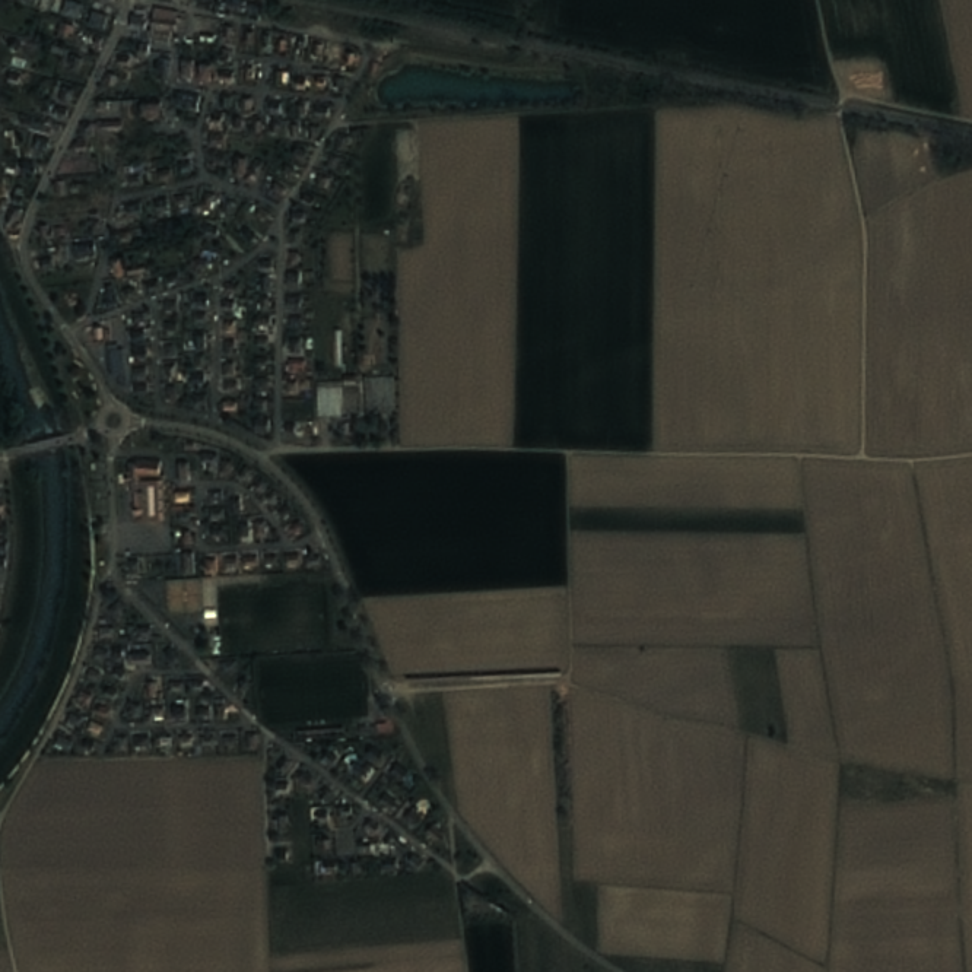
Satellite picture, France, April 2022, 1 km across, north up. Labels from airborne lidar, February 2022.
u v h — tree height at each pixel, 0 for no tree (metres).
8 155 5
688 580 0
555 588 0
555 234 0
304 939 0
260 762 0
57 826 0
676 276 0
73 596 0
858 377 0
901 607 0
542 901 0
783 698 0
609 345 0
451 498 0
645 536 0
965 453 0
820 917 0
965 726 0
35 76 0
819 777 0
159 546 0
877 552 0
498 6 0
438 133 0
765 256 0
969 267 0
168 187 0
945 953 0
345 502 0
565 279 0
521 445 0
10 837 0
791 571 0
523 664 0
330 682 0
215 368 0
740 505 0
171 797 0
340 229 0
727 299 0
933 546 0
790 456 0
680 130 0
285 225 0
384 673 19
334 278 0
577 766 0
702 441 0
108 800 0
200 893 0
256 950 0
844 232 0
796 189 0
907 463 0
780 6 0
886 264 0
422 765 0
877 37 0
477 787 0
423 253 0
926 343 0
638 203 0
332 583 0
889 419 0
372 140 0
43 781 0
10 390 17
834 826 0
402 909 0
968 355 0
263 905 0
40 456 0
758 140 0
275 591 0
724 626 0
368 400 0
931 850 0
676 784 0
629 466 0
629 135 0
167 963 0
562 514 0
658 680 0
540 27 0
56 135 0
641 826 0
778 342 0
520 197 0
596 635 0
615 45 0
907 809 0
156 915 0
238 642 0
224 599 0
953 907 0
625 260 0
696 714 0
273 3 11
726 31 0
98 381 0
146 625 0
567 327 0
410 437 0
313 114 0
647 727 0
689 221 0
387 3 6
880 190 0
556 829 0
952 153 16
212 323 0
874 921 0
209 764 0
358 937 0
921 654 0
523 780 0
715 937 0
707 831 0
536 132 0
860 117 12
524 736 0
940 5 0
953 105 0
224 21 0
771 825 0
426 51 0
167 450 0
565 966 0
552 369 0
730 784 0
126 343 0
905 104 0
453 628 0
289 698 0
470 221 0
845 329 0
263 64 0
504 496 0
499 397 0
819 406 0
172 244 10
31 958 0
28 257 0
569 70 8
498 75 0
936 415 0
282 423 0
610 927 0
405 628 0
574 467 0
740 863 0
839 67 0
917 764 0
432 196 0
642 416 0
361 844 0
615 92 0
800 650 0
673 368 0
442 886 0
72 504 0
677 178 0
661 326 0
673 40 0
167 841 0
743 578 0
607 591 0
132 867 0
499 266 0
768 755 0
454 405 0
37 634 0
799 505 0
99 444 9
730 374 0
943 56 0
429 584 0
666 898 0
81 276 0
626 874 0
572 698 0
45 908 0
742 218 0
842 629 0
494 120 0
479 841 0
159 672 0
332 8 0
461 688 0
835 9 0
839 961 0
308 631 0
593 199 0
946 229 0
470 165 0
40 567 0
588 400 0
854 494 0
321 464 0
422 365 0
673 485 0
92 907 0
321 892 0
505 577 0
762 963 0
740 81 0
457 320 0
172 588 0
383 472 0
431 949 0
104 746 0
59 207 0
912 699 0
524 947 0
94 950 0
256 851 0
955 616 0
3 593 0
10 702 0
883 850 0
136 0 0
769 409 0
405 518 0
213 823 0
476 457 0
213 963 0
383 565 0
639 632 0
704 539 0
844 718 0
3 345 0
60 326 0
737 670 0
